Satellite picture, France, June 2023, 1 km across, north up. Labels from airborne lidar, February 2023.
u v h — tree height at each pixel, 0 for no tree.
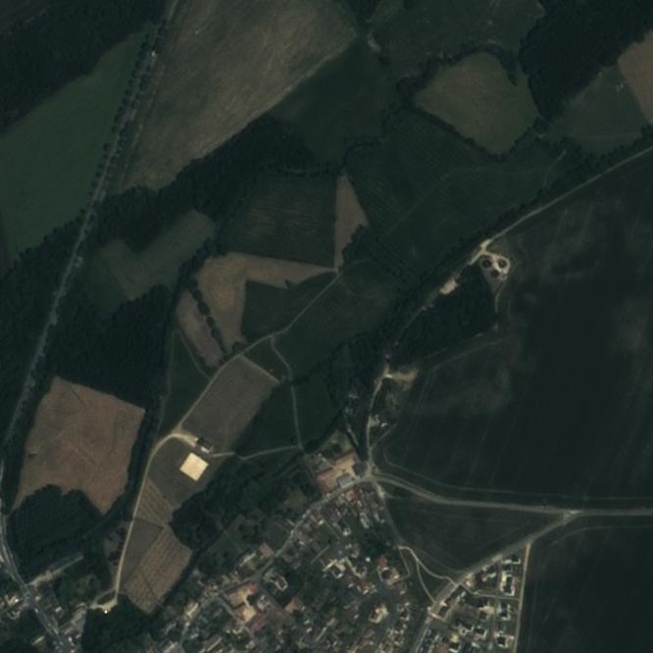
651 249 0
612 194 0
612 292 0
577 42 30
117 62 0
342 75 0
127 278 0
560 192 18
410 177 0
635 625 0
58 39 20
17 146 0
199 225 0
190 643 10
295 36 0
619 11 35
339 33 0
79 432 0
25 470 0
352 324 0
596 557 0
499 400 0
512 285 0
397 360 16
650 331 0
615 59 24
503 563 0
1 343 12
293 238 0
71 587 31
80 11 21
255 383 0
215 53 0
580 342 0
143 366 24
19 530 29
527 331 0
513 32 0
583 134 0
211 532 25
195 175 24
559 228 0
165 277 0
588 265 0
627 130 0
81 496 17
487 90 0
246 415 0
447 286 0
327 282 0
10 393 21
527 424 0
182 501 0
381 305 0
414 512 0
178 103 0
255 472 0
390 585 0
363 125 0
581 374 0
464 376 0
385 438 0
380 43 13
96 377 29
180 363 0
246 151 28
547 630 0
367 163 0
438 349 25
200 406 0
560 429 0
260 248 0
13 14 0
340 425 20
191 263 9
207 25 0
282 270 0
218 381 0
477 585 0
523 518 0
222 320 0
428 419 0
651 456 0
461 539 0
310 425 0
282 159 27
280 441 0
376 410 8
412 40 0
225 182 23
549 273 0
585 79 21
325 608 7
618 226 0
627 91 0
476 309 12
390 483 0
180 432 0
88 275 0
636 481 0
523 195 0
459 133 9
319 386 0
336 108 0
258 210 0
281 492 11
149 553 0
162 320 6
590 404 0
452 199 0
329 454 10
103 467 0
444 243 0
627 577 0
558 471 0
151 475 0
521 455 0
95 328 11
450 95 0
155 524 0
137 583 0
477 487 0
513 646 0
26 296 19
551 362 0
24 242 0
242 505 36
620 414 0
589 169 16
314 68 0
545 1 21
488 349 0
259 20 0
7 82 12
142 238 8
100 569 7
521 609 0
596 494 0
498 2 0
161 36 15
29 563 8
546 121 14
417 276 31
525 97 0
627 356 0
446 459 0
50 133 0
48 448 0
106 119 0
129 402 26
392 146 0
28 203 0
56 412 0
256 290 0
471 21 0
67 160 0
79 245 0
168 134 0
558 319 0
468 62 0
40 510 29
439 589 0
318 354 0
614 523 0
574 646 0
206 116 0
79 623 0
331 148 0
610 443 0
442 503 0
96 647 14
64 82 13
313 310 0
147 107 0
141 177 0
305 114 0
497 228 13
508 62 14
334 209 0
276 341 0
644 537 0
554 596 0
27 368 14
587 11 25
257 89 0
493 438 0
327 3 0
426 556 0
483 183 0
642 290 0
